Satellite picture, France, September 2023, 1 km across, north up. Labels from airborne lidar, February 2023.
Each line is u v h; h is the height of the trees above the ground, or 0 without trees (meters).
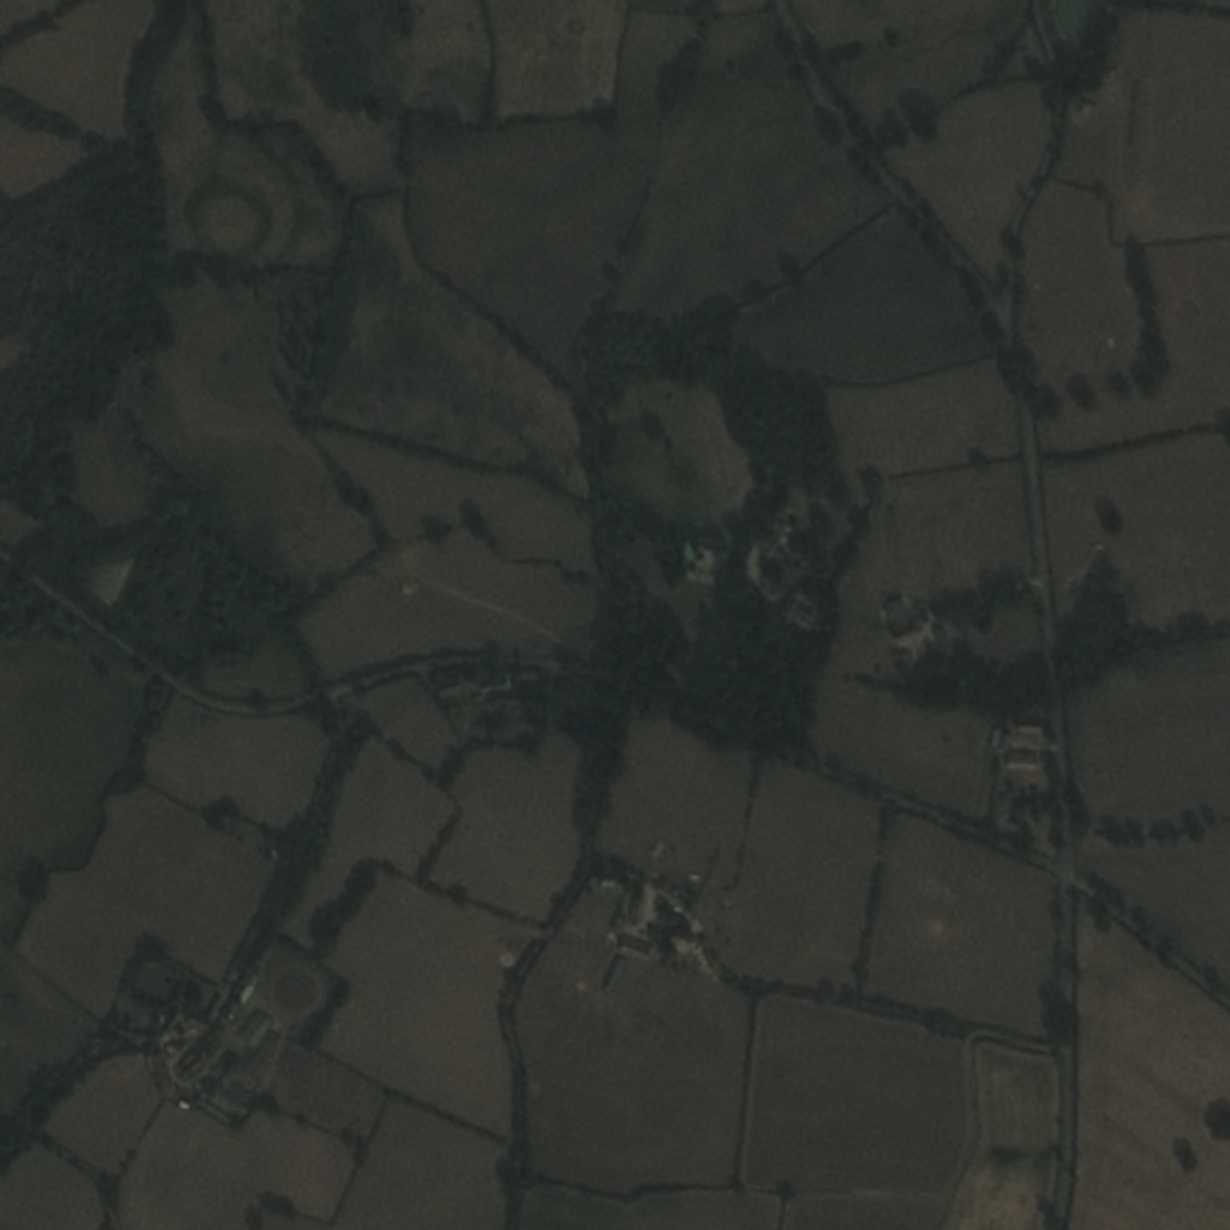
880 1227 0
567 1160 0
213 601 14
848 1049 0
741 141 0
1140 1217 0
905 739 0
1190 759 0
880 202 0
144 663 13
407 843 0
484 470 7
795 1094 0
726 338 19
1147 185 0
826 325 0
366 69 0
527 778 0
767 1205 0
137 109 9
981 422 0
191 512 11
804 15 0
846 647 0
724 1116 0
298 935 0
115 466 0
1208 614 0
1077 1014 11
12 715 0
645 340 17
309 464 0
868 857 0
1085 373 0
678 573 27
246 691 0
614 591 23
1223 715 0
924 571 0
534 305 0
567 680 7
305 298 0
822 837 0
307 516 0
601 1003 0
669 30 0
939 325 0
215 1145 0
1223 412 0
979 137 0
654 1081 0
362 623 0
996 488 0
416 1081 0
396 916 0
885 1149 0
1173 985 0
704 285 0
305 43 0
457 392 0
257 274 9
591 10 0
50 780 0
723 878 0
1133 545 0
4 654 0
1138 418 0
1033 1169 0
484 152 0
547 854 0
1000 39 0
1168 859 0
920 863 0
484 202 0
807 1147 0
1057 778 14
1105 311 0
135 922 0
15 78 0
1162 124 0
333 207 0
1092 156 0
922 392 0
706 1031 0
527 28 0
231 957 0
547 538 0
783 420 21
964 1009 0
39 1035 0
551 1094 0
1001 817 0
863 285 0
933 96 0
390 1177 0
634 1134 0
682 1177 0
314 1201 0
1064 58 19
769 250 0
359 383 0
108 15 0
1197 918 0
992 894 0
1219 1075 0
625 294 0
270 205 0
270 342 0
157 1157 0
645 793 0
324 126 0
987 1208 0
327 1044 0
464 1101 0
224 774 0
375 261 0
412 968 0
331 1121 0
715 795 0
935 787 0
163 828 0
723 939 0
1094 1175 0
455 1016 0
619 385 7
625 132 0
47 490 13
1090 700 0
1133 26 0
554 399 0
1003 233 0
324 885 0
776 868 0
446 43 0
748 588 19
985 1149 0
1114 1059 0
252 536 0
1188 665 0
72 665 0
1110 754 0
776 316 0
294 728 0
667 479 0
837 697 0
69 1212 0
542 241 0
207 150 0
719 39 0
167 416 0
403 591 0
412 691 0
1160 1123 0
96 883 0
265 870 0
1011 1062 0
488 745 6
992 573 0
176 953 0
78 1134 0
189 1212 0
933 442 0
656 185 0
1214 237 0
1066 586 0
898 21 0
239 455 0
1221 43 0
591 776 19
